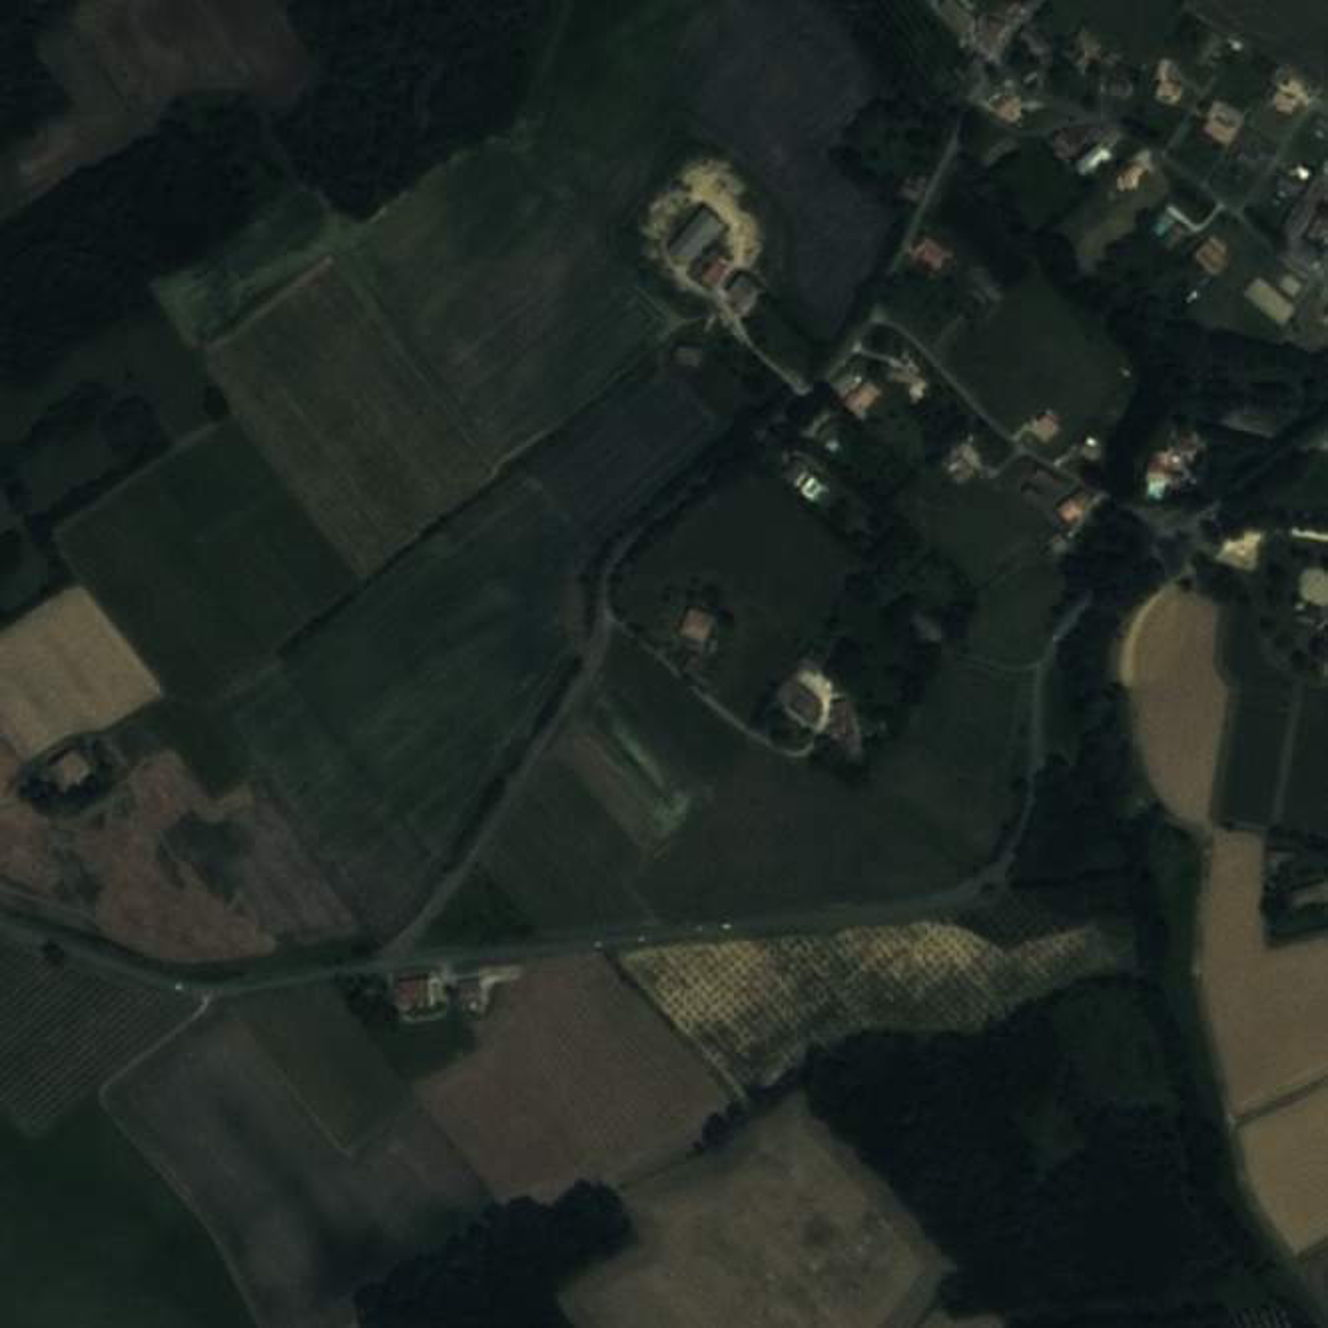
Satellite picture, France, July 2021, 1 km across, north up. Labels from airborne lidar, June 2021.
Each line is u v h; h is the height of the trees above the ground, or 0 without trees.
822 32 0
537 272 0
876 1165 13
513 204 0
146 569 0
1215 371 9
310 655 0
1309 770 0
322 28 16
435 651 0
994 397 0
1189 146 0
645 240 0
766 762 0
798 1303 0
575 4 0
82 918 0
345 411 0
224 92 0
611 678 0
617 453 0
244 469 0
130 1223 0
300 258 0
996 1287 17
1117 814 20
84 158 0
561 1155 0
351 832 0
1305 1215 0
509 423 0
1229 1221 18
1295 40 0
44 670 0
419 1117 0
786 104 0
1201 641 0
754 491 0
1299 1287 0
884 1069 13
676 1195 0
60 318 17
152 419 6
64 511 10
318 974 0
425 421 0
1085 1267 26
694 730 0
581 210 0
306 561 0
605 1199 19
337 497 0
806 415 6
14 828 0
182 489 0
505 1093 0
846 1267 0
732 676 0
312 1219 0
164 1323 0
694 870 0
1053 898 15
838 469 9
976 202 0
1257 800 0
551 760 0
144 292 8
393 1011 14
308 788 0
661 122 0
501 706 0
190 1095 0
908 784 0
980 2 0
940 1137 15
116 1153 0
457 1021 0
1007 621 0
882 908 0
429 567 0
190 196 32
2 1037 0
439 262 0
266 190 0
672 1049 0
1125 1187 22
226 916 0
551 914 0
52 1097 0
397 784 0
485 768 0
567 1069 0
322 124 21
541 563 0
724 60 0
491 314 0
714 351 0
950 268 0
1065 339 0
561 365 0
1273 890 7
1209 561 19
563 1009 0
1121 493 19
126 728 0
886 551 11
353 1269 0
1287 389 13
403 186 11
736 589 0
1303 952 0
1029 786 13
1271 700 0
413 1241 0
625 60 0
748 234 0
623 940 0
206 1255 0
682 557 0
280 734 0
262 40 0
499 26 19
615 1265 0
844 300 0
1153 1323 23
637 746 0
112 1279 0
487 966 0
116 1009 0
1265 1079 0
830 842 0
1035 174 0
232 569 0
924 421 8
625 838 0
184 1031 0
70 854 0
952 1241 12
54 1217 0
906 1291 0
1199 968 0
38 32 11
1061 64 10
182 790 0
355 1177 0
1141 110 6
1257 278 0
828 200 0
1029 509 0
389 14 6
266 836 0
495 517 0
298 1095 0
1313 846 11
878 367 10
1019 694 0
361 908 0
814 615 0
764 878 0
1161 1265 21
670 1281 0
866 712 6
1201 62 0
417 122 17
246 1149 0
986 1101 20
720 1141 20
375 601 0
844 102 0
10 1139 0
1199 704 0
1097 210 0
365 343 0
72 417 7
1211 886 0
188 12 0
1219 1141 16
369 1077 0
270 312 0
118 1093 0
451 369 0
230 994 0
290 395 0
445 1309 23
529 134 0
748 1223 0
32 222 9
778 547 0
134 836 0
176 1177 0
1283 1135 0
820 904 0
